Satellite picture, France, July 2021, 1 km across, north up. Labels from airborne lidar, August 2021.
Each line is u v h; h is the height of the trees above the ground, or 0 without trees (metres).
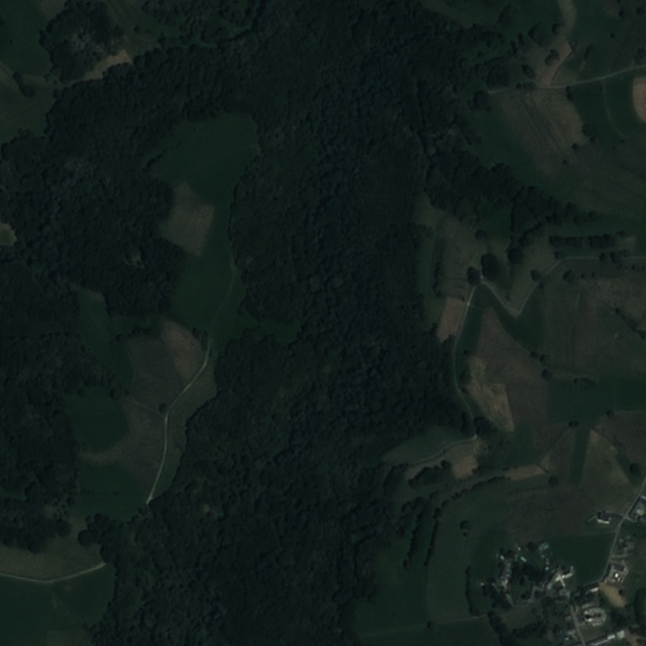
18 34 0
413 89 19
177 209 0
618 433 0
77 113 22
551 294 0
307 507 26
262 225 19
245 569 22
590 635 0
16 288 29
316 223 22
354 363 31
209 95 17
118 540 22
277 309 14
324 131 21
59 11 0
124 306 19
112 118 16
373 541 24
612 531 0
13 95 0
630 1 0
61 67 27
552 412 0
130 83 21
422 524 13
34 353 19
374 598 21
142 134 26
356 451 11
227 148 0
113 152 14
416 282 13
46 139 17
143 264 15
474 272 13
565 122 0
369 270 28
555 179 0
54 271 21
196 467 19
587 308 0
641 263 0
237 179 0
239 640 24
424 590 0
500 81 19
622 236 10
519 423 0
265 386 24
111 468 0
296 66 16
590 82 0
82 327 0
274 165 16
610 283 0
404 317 20
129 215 24
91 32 23
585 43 0
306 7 14
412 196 14
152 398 0
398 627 0
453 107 15
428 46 18
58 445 9
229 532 27
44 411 21
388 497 17
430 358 19
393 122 21
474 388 0
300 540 21
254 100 16
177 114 19
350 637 19
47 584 0
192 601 26
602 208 0
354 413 9
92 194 13
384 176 20
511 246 7
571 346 0
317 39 16
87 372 21
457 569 0
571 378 0
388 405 27
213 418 26
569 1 0
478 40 9
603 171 0
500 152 0
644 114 0
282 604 23
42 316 25
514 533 0
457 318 0
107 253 20
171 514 29
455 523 0
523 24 0
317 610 22
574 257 0
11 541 20
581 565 0
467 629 0
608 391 0
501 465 0
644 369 0
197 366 0
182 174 0
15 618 0
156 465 0
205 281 0
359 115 8
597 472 0
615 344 0
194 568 12
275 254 22
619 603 0
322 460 17
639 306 0
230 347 14
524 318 0
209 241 0
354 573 10
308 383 22
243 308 10
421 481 19
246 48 24
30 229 20
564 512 0
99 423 0
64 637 0
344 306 26
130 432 0
